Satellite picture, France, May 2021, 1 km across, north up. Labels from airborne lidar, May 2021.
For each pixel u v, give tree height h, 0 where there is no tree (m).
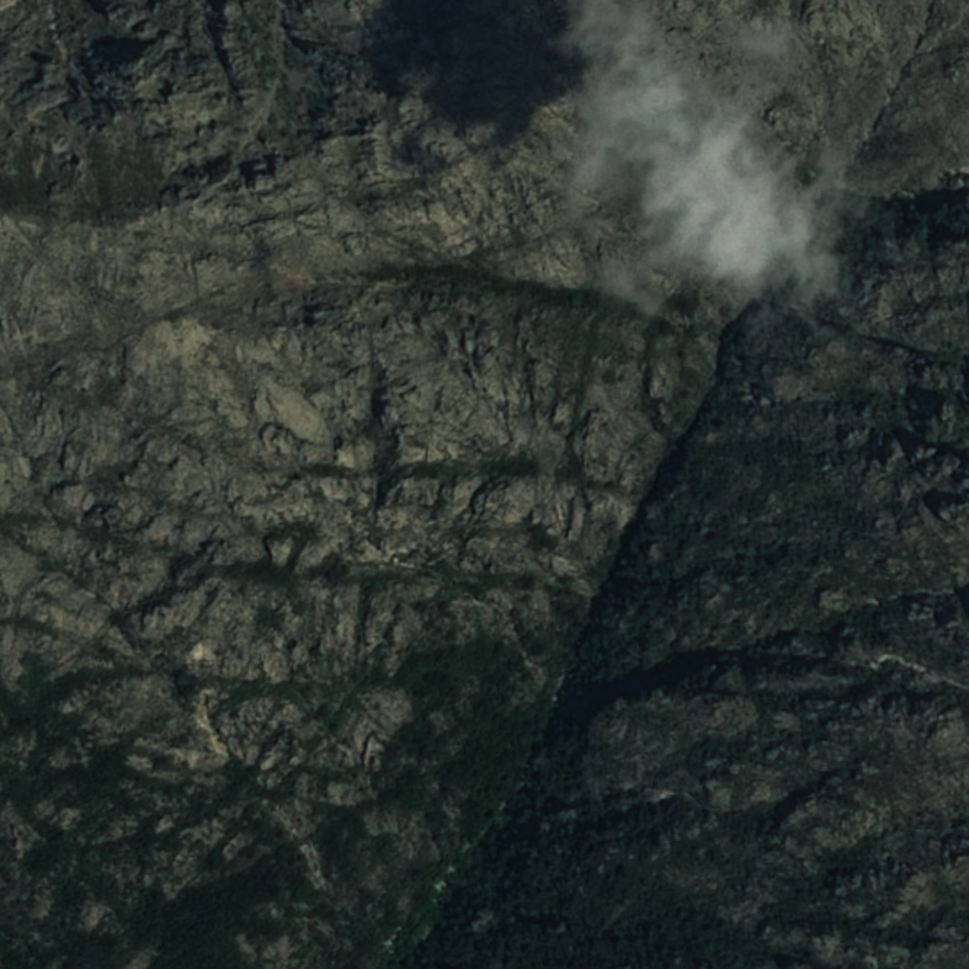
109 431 0
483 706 21
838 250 6
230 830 8
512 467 11
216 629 0
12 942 8
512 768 13
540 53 0
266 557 11
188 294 0
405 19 0
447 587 6
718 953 9
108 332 0
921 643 8
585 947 12
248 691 7
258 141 0
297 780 8
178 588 7
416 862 7
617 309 11
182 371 0
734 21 0
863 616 7
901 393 8
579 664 9
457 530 10
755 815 8
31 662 8
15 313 0
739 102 0
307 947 6
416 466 6
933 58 0
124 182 0
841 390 8
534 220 6
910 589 8
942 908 6
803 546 9
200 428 0
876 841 13
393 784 12
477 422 0
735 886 10
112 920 11
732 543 8
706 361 7
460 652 7
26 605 0
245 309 0
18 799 7
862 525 7
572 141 0
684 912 12
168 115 0
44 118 0
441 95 0
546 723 20
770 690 6
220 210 0
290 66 8
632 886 6
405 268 9
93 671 7
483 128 0
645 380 11
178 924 12
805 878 11
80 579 8
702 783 11
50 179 0
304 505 0
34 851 12
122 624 8
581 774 8
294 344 0
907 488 0
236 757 8
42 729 10
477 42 0
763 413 7
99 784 8
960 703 7
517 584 9
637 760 0
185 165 0
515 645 8
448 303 7
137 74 0
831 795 11
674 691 18
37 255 0
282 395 0
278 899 6
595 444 0
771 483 6
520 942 6
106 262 0
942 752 0
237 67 0
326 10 0
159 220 0
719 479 5
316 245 0
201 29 0
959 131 0
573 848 16
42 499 8
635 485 9
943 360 6
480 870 6
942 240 12
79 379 0
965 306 0
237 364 0
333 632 9
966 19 0
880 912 8
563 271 0
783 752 7
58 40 0
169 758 7
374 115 0
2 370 0
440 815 8
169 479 0
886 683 10
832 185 8
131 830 11
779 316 9
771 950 9
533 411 6
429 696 14
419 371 0
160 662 7
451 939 9
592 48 0
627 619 8
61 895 13
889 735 9
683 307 10
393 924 13
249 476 0
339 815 7
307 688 11
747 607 6
